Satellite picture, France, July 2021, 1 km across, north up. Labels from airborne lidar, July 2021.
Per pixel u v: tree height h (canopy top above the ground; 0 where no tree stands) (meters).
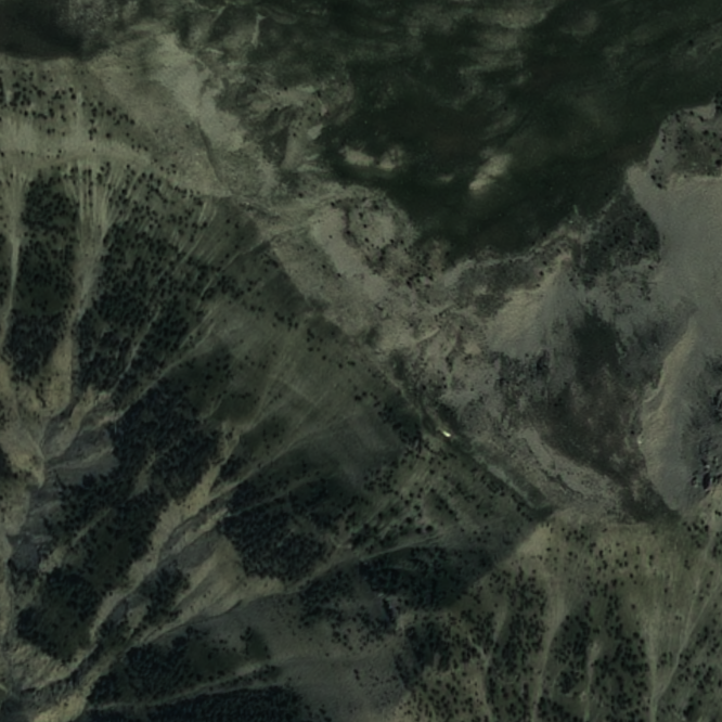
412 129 0
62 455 0
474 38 0
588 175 0
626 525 0
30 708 0
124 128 0
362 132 0
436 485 0
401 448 0
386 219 0
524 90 0
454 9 0
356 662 0
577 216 0
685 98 0
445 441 0
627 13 0
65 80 0
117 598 0
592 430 0
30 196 7
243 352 0
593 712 0
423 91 0
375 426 0
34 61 0
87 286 0
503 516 0
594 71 0
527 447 0
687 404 0
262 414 0
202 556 0
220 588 0
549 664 0
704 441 0
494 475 0
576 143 0
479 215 0
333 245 0
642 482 0
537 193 0
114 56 0
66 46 0
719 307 0
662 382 0
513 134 0
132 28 0
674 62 0
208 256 0
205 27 0
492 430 0
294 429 0
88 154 0
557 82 0
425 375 0
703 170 0
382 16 0
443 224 0
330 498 12
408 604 9
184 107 0
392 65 0
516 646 10
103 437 0
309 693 0
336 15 0
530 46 0
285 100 0
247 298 0
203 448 14
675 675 0
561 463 0
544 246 0
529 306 0
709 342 0
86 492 19
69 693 0
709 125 0
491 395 0
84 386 8
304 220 0
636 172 0
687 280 0
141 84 0
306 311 0
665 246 0
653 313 0
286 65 0
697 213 0
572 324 0
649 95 0
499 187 0
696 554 0
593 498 0
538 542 0
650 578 0
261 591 0
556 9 0
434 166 0
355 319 0
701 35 0
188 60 0
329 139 0
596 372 0
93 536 8
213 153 0
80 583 18
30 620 15
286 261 0
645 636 0
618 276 0
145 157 0
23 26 0
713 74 0
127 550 0
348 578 6
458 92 0
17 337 12
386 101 0
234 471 8
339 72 0
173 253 7
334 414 0
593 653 0
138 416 12
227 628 0
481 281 0
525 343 0
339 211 0
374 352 0
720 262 0
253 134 0
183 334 12
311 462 0
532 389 0
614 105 0
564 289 0
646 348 0
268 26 0
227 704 11
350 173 0
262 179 0
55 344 12
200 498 0
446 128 0
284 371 0
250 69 0
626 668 11
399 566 0
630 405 0
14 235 0
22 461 0
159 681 21
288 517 12
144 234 6
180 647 12
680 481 0
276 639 0
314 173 0
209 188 0
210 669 0
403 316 0
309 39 0
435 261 0
